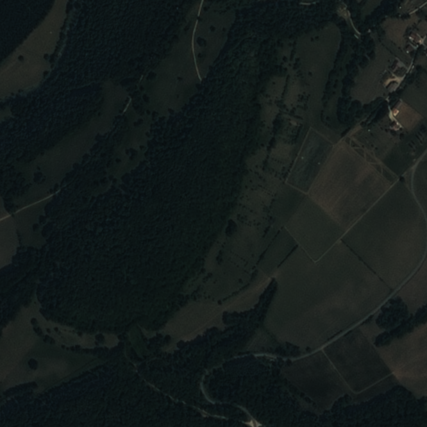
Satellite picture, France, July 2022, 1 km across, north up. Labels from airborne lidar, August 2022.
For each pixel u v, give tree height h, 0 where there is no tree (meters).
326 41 0
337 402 15
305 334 0
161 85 0
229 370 18
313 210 0
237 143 21
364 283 0
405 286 0
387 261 0
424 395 0
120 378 20
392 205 0
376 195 0
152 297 21
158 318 16
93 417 17
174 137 18
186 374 16
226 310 0
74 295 15
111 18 14
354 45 17
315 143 0
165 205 17
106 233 22
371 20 13
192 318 0
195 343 18
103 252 17
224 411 18
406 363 0
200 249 8
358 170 0
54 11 0
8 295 17
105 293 19
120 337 17
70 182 9
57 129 23
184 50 0
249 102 20
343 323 0
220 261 13
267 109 0
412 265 0
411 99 0
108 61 21
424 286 0
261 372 19
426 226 0
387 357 0
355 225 0
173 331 0
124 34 19
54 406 23
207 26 0
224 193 21
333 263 0
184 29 7
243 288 5
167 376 18
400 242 0
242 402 16
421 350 0
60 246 16
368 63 6
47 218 8
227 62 13
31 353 0
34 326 12
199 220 17
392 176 0
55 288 21
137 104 10
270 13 17
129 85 19
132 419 21
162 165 22
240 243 0
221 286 0
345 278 0
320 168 0
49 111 23
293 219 0
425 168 0
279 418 16
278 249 0
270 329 0
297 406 26
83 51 17
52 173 0
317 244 0
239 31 15
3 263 0
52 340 15
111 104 0
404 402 18
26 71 0
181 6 17
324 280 0
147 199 20
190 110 19
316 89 0
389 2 12
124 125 14
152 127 8
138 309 15
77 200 7
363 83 0
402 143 0
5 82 0
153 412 20
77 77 23
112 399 20
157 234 18
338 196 0
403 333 15
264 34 21
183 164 15
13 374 0
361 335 0
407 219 0
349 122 18
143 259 12
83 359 0
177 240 15
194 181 16
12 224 0
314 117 0
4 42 18
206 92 22
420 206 0
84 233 17
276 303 0
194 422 15
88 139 0
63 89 18
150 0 15
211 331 13
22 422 19
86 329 19
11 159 22
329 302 0
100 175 12
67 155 0
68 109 24
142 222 20
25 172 0
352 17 14
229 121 14
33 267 13
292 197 0
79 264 19
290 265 0
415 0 0
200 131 15
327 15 18
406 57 0
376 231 0
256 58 21
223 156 16
